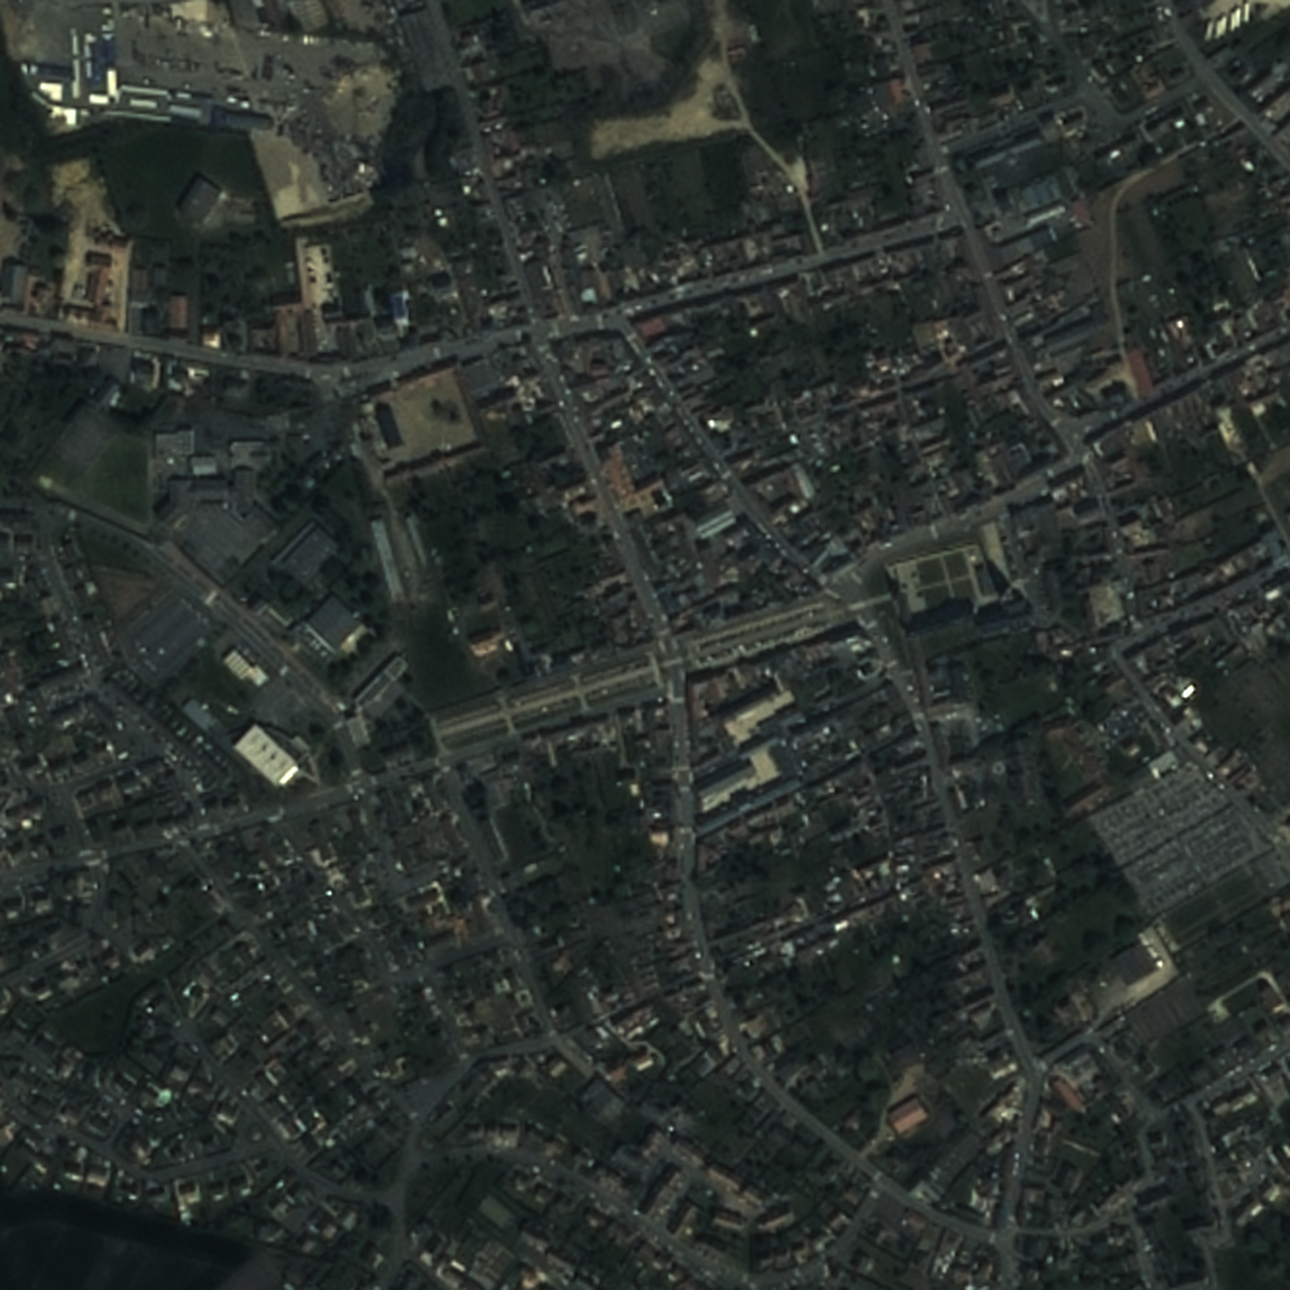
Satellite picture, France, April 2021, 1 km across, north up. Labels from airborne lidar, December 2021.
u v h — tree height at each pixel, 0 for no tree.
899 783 0
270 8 0
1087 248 0
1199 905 0
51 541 0
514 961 0
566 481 10
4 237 0
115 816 0
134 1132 7
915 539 0
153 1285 0
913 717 0
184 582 0
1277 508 0
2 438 12
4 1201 0
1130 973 0
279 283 0
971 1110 0
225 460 0
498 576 7
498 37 14
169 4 0
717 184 0
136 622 0
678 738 0
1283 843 0
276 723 0
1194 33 9
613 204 0
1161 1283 0
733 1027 0
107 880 0
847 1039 0
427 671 0
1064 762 0
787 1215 11
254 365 0
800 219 7
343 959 9
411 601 0
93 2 0
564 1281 0
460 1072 0
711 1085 0
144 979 0
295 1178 6
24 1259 0
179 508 0
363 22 0
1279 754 0
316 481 9
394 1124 0
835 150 0
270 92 0
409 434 0
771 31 0
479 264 7
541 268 0
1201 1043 0
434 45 0
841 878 9
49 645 0
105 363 0
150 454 0
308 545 0
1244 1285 0
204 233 0
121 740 0
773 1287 0
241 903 0
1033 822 0
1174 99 0
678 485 0
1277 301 0
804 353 9
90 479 0
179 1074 0
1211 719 0
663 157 0
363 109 0
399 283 8
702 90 0
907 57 0
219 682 0
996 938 13
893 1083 0
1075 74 0
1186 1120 8
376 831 0
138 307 0
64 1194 0
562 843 0
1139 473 0
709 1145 0
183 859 0
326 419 0
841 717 0
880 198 7
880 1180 0
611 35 0
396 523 0
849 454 8
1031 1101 0
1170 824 0
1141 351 0
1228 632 0
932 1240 0
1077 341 0
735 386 6
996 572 0
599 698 0
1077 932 0
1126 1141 14
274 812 0
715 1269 0
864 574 0
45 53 0
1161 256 0
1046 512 0
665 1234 0
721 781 0
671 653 0
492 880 0
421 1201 6
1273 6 0
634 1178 6
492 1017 0
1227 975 0
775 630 0
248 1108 0
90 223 0
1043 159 0
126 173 0
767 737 0
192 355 0
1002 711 0
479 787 8
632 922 11
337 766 13
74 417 7
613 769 0
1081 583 0
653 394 0
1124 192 0
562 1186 9
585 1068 0
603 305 0
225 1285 0
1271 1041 0
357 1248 6
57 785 0
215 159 0
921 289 6
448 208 0
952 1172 0
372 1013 0
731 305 0
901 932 10
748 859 6
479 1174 0
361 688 0
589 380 0
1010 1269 0
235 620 0
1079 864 6
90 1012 0
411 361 0
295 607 15
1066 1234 0
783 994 6
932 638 0
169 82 0
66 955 0
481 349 0
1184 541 0
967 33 8
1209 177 0
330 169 0
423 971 0
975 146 0
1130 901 15
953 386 0
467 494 12
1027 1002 11
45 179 0
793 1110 0
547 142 0
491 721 0
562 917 7
